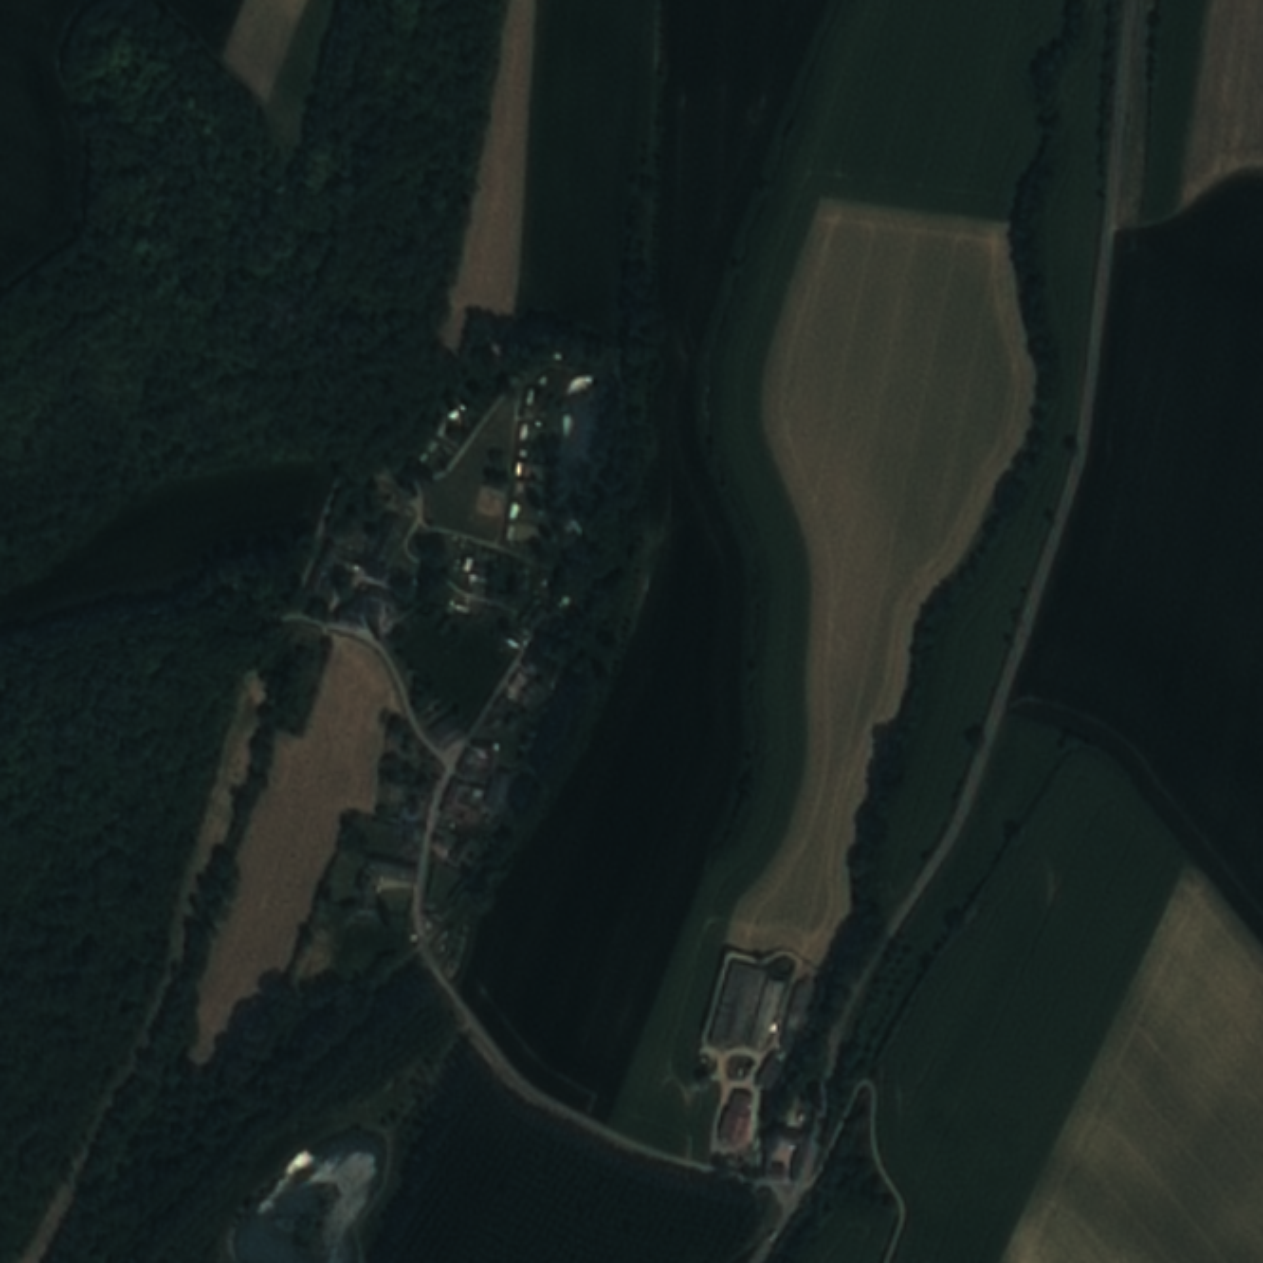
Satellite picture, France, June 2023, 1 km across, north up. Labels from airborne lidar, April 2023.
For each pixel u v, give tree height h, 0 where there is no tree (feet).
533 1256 69
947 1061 0
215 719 47
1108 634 0
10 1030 66
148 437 74
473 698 0
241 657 52
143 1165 76
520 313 0
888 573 0
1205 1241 0
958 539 0
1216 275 0
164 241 39
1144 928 0
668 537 0
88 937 86
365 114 90
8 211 0
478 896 73
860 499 0
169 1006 50
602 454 43
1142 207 0
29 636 66
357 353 49
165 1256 75
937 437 0
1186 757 0
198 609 79
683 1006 0
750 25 0
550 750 100
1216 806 0
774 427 0
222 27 0
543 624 23
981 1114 0
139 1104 34
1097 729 0
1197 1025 0
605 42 0
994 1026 0
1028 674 0
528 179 0
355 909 26
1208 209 0
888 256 0
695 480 0
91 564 0
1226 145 0
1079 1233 0
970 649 0
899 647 0
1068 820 0
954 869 0
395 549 0
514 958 0
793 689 0
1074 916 0
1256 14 0
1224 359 0
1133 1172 0
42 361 59
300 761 0
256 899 0
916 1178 0
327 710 0
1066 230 0
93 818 31
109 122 74
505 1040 0
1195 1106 0
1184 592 0
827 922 0
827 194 0
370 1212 0
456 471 0
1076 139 0
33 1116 78
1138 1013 0
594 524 74
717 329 0
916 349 0
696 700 0
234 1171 62
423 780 31
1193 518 0
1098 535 0
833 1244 0
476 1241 71
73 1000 99
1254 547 0
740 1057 0
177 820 41
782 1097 66
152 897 86
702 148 0
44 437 64
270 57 0
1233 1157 0
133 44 42
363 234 78
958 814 0
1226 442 0
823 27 0
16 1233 48
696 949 0
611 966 0
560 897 0
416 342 100
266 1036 92
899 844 0
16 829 75
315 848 0
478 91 48
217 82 46
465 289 0
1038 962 0
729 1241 61
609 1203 68
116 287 54
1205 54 0
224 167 44
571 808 0
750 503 0
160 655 69
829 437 0
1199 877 0
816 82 0
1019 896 0
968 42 0
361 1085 87
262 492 0
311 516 0
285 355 55
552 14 0
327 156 47
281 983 72
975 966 0
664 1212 71
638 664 0
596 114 0
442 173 58
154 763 37
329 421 51
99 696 52
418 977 71
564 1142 69
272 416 54
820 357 0
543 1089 0
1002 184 0
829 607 0
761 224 0
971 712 0
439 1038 58
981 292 0
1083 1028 0
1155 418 0
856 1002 0
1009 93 0
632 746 0
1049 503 0
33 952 78
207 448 68
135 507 0
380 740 0
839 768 0
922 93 0
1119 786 0
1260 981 0
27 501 72
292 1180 0
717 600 0
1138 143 0
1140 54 0
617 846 0
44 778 29
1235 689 0
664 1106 0
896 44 0
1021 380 0
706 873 0
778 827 0
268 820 0
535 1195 70
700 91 0
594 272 0
